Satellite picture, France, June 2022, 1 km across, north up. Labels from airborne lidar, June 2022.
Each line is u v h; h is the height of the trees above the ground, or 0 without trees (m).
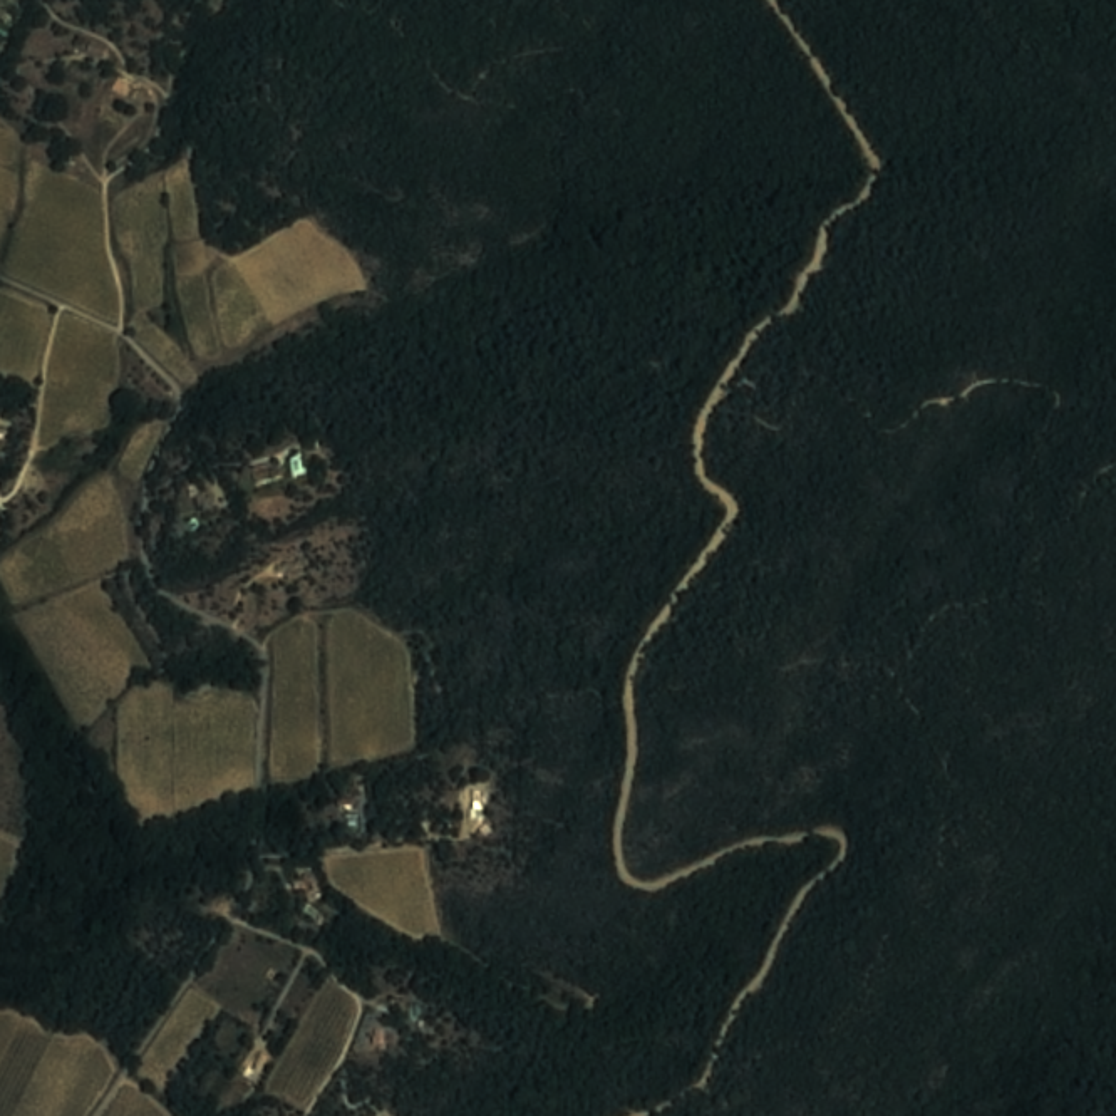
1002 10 8
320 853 16
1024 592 12
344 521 7
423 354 6
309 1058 0
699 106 10
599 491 7
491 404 8
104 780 14
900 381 6
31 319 0
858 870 9
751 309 11
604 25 7
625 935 7
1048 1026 11
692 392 13
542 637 9
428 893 0
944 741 8
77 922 14
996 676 7
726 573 7
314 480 12
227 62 13
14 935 12
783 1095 6
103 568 0
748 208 9
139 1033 18
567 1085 9
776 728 8
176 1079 19
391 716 0
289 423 9
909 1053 8
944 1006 7
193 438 8
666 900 7
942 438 6
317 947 13
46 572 0
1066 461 6
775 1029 12
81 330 0
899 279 8
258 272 0
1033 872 6
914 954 7
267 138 7
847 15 10
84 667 0
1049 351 8
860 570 6
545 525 7
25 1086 0
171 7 8
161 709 0
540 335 18
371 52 8
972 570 6
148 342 0
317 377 11
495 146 8
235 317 0
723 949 11
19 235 0
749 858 12
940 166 10
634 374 17
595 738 10
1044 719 10
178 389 0
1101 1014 16
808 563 7
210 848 14
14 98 5
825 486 8
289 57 8
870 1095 10
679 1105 11
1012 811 8
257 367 10
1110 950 16
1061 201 8
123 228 0
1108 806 6
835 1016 7
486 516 9
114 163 10
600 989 8
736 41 15
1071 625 7
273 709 0
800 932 6
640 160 8
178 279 0
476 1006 15
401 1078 8
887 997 9
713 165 9
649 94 9
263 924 12
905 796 9
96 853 14
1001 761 7
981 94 13
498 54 9
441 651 9
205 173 13
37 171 0
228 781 0
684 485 7
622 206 14
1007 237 6
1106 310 8
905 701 7
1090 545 6
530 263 9
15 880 13
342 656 0
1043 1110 15
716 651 8
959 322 9
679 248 9
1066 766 8
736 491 6
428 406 10
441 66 7
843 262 10
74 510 0
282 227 7
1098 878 6
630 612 9
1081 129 7
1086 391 9
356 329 14
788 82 9
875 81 6
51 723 13
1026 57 10
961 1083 13
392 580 8
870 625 6
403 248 7
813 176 13
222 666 11
